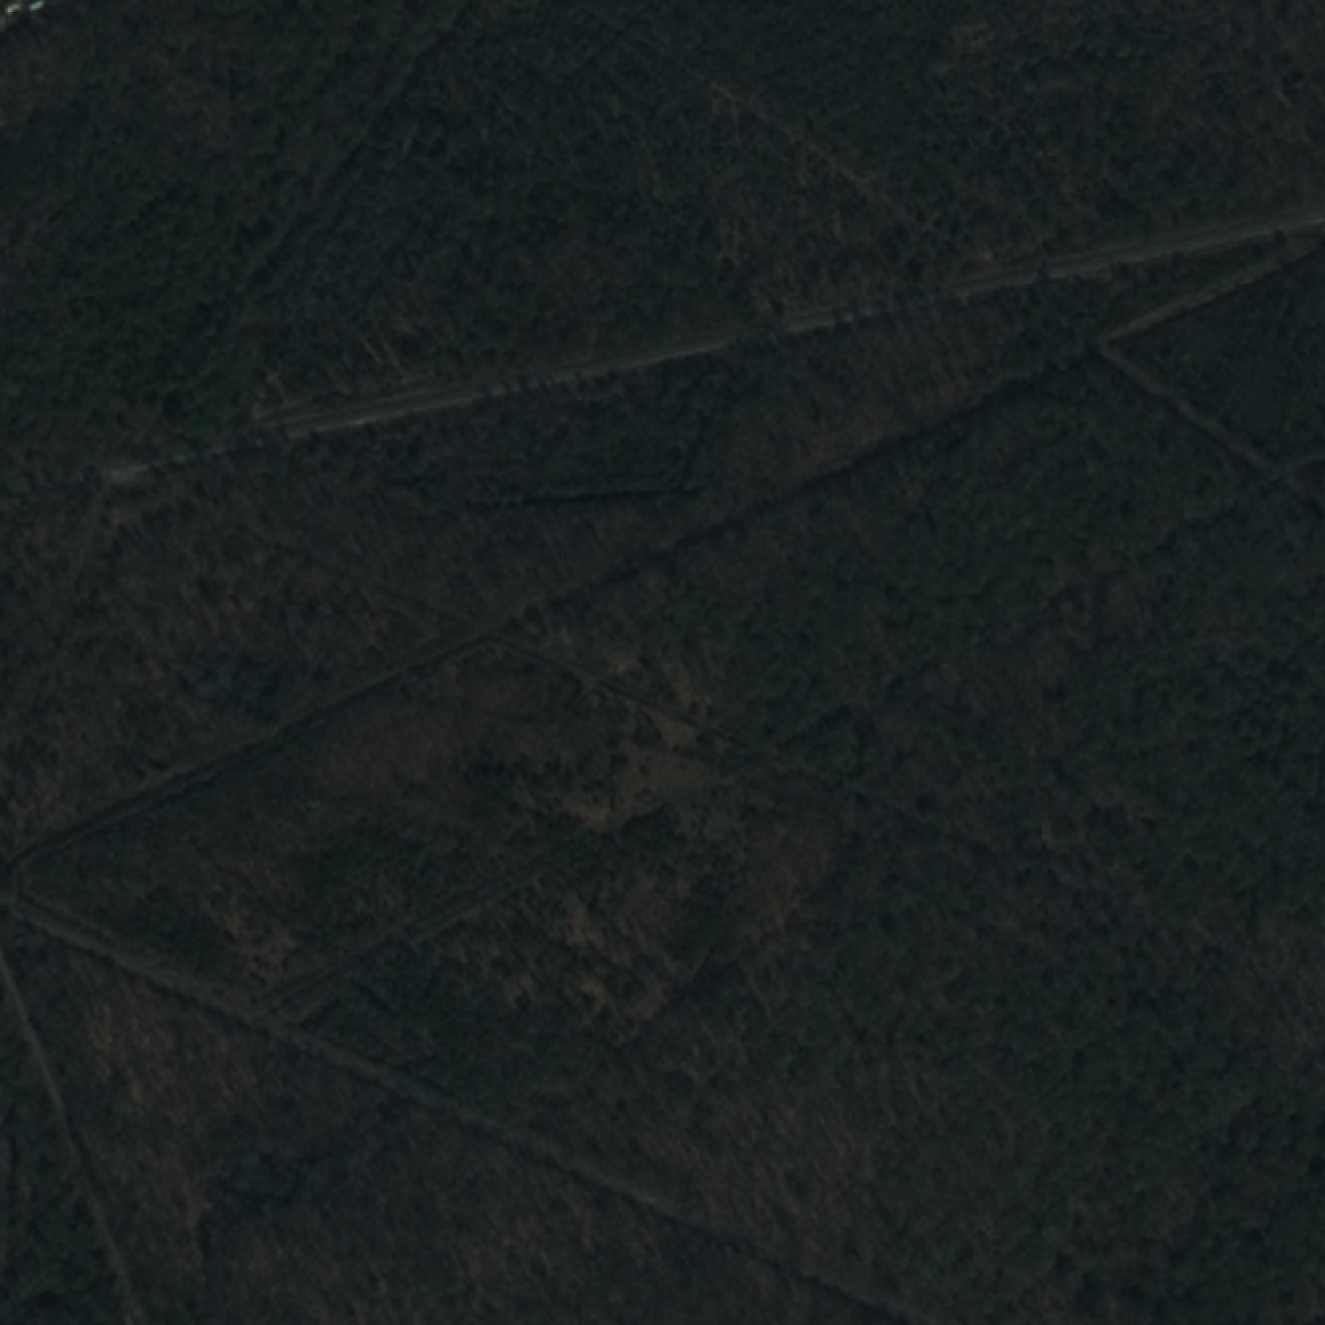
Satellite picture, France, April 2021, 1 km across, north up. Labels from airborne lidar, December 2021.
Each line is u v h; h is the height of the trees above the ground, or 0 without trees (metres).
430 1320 29
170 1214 29
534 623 14
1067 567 31
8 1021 24
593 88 17
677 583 25
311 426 0
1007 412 32
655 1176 27
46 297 15
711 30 15
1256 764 31
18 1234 26
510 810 10
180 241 16
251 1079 29
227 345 26
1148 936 10
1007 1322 28
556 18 9
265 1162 6
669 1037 16
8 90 22
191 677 10
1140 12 23
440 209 7
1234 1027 33
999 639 29
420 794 14
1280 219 0
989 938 29
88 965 26
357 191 14
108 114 25
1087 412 35
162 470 28
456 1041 14
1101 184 25
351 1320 32
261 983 6
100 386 12
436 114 22
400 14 26
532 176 25
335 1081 25
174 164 22
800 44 6
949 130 15
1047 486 32
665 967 11
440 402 0
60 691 9
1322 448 15
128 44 21
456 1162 26
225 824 12
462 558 31
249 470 30
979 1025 32
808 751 31
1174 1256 27
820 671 27
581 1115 13
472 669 12
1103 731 34
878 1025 15
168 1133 26
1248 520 31
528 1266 27
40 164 13
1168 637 25
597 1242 28
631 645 30
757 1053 32
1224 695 26
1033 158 27
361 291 11
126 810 8
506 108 17
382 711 18
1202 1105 32
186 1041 28
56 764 25
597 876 10
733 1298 29
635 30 15
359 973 7
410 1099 21
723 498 30
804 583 34
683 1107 23
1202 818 31
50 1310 19
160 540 25
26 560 29
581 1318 31
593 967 13
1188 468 34
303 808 10
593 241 10
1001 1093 30
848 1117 30
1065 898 33
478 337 20
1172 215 28
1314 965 32
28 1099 21
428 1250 29
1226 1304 27
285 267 13
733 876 8
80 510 27
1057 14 9
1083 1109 31
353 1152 27
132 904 12
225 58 20
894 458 10
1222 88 22
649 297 21
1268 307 6
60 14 21
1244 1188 29
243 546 9
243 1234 31
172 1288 31
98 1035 27
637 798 7
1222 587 33
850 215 7
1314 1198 31
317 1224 31
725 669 11
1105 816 31
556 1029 12
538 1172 28
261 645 23
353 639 29
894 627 33
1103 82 19
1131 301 7
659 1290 30
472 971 11
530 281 22
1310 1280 28
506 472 8
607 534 30
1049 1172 29
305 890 9
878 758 29
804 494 30
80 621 12
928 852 30
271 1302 30
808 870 15
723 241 28
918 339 29
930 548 31
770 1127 31
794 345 30
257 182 20
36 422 17
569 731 14
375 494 9
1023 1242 26
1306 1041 34
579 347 18
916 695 30
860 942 27
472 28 12
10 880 24
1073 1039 29
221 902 10
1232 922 32
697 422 21
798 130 7
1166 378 18
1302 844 31
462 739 12
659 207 20
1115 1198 19
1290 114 14
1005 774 30
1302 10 25
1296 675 22
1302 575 32
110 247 17
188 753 22
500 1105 13
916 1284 26
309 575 15
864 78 6
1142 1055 32
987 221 17
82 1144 27
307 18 22
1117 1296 31
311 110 19
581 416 15
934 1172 20
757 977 29
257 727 27
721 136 7
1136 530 33
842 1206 29
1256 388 11
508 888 10
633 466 8
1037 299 16
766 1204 31
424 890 12
